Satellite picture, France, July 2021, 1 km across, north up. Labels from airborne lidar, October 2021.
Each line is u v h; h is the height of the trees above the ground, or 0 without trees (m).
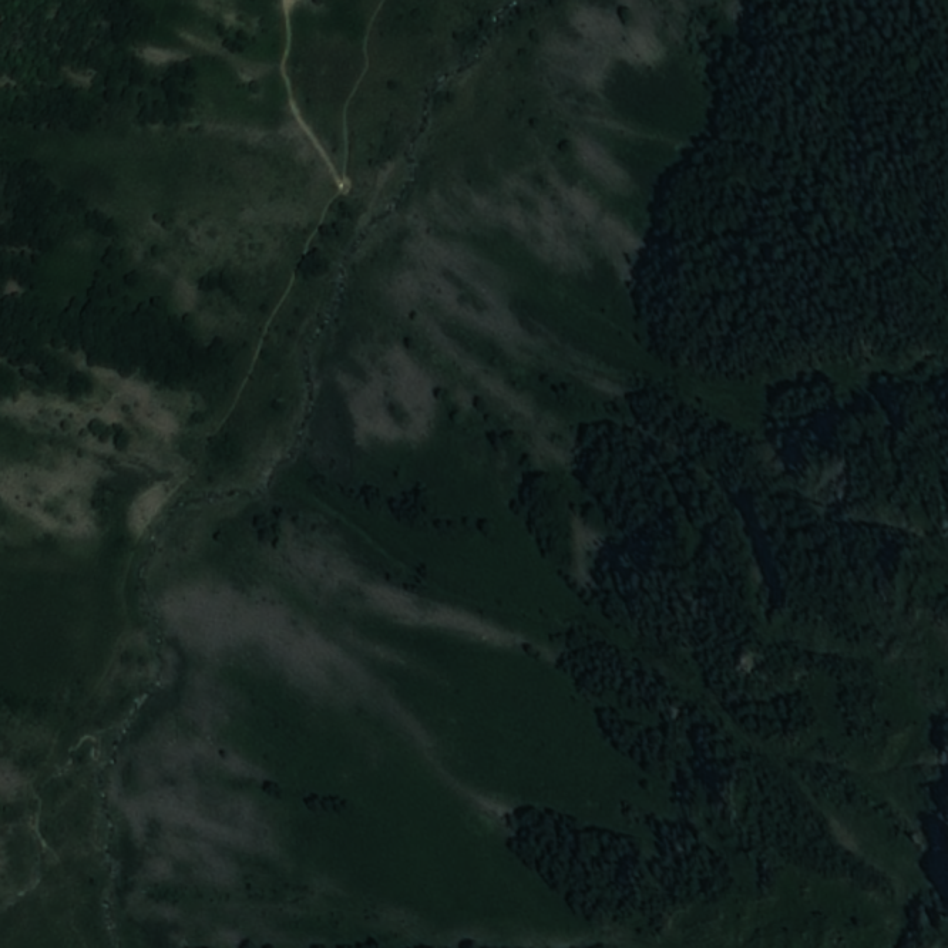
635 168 0
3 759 0
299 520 6
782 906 0
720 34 7
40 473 0
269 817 0
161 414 0
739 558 17
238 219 0
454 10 0
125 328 22
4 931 0
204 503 0
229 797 0
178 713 0
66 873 0
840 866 13
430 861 0
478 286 0
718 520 28
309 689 0
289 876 0
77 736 0
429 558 0
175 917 0
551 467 0
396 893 0
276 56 0
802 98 8
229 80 0
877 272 9
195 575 0
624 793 0
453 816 0
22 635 0
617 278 0
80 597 0
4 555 0
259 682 0
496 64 0
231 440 6
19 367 19
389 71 0
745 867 0
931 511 8
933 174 13
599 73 0
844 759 5
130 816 0
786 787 10
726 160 18
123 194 0
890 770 0
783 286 20
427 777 0
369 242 0
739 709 14
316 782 0
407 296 0
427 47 0
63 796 0
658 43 0
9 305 23
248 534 0
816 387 28
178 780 0
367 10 0
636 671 22
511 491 0
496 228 0
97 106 16
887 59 23
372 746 0
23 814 0
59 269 0
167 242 0
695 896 14
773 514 20
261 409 0
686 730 16
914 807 0
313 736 0
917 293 10
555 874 22
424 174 0
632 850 15
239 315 0
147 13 19
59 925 0
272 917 0
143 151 0
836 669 9
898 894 6
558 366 0
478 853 0
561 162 0
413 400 0
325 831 0
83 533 0
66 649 0
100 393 0
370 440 0
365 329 0
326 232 16
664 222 23
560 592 0
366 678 0
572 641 17
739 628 16
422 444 0
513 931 0
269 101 0
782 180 30
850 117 8
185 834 0
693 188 22
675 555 7
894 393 16
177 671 0
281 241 0
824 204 11
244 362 0
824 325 17
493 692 0
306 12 0
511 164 0
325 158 0
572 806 0
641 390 9
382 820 0
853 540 9
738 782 7
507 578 0
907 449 8
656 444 9
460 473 0
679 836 10
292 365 0
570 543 20
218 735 0
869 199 13
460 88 0
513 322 0
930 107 11
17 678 0
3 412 0
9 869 0
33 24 13
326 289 0
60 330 19
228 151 0
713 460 12
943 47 16
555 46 0
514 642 0
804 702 16
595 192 0
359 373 0
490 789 0
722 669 9
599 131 0
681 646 16
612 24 0
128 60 21
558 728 0
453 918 0
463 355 0
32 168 15
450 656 0
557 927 0
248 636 0
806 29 25
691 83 0
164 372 12
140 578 0
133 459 0
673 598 17
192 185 0
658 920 10
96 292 15
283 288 0
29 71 15
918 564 9
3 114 17
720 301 17
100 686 0
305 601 0
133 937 0
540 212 0
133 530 0
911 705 0
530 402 0
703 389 0
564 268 0
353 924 0
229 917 0
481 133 0
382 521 0
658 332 17
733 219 28
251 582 0
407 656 0
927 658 0
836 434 16
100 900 0
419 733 0
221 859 0
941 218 10
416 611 0
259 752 0
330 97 0
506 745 0
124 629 0
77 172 0
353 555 0
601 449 25
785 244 25
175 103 15
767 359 12
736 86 21
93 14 13
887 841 0
